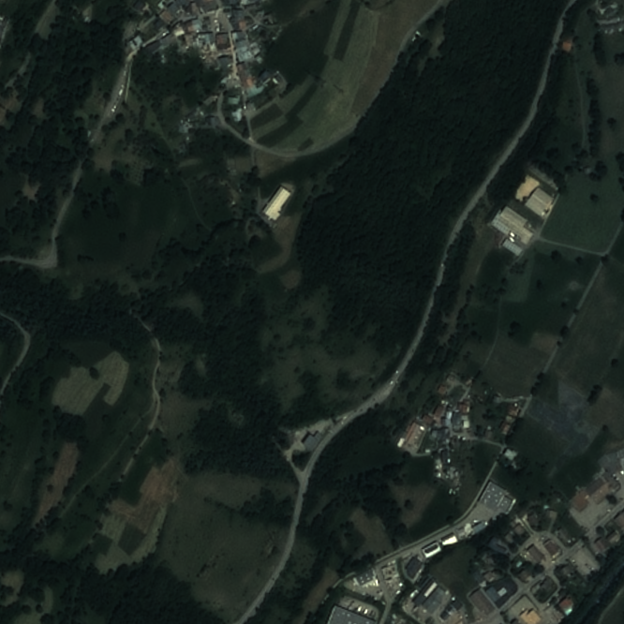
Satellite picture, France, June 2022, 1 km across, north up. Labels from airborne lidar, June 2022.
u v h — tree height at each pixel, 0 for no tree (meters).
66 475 0
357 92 0
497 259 0
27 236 8
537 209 0
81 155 33
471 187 13
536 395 13
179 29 0
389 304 19
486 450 0
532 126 11
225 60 0
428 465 0
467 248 22
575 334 0
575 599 7
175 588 16
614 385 0
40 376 16
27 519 17
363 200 20
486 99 18
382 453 0
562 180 21
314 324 17
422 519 0
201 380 15
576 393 0
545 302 0
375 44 0
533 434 0
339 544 14
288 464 15
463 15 17
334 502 13
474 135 19
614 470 0
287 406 0
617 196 0
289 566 9
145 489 0
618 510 0
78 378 0
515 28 17
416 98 15
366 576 0
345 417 0
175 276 0
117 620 19
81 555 8
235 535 0
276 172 0
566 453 0
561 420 0
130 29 0
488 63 14
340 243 14
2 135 17
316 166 0
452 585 0
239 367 19
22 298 18
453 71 15
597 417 0
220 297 30
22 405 14
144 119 7
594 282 0
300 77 0
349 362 0
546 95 13
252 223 9
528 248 0
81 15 9
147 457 0
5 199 0
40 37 19
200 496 0
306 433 0
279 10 0
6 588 17
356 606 0
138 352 8
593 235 0
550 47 28
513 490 0
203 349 7
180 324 28
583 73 6
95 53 18
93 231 0
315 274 18
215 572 0
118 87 0
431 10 0
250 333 15
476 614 0
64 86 26
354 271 24
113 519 0
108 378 0
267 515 18
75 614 12
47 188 24
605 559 21
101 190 0
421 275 11
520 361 0
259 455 19
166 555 0
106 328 23
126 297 9
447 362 13
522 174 19
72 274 0
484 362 0
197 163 0
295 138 0
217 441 21
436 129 19
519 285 0
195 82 18
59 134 18
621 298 0
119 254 0
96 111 0
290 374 0
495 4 22
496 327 0
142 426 0
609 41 0
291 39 0
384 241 19
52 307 23
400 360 12
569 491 0
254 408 20
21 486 0
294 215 0
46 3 7
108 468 0
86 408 0
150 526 0
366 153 15
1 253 16
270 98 8
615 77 0
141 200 0
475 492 0
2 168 0
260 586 0
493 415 10
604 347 0
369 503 22
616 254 0
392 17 0
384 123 23
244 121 11
